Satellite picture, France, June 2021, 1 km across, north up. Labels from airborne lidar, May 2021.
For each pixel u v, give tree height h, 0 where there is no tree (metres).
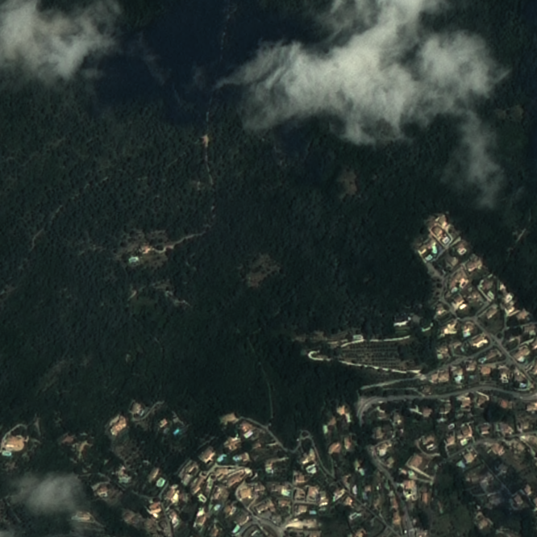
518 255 14
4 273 15
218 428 16
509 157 13
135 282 9
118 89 15
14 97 7
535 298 14
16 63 9
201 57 14
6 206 7
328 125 12
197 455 12
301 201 15
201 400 11
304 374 15
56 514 13
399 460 6
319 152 15
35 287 6
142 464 8
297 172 12
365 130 11
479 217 15
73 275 10
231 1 8
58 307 6
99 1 7
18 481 13
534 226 13
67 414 12
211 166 14
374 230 19
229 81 7
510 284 19
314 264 18
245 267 10
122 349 11
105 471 13
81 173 12
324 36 6
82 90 17
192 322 10
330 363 12
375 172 13
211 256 11
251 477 8
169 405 8
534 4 16
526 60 16
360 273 18
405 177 16
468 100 20
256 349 6
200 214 15
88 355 11
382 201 15
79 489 14
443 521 0
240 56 16
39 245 10
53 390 7
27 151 10
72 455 7
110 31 14
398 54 9
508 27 17
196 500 12
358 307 10
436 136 17
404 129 14
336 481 15
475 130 10
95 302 7
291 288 6
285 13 12
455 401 13
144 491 7
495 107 8
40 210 10
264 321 6
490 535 10
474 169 20
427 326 18
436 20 7
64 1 14
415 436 7
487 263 16
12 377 18
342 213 14
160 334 11
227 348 20
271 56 19
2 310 12
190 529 6
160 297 10
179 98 12
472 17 10
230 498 11
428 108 15
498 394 12
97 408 11
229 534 6
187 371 17
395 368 6
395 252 19
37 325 10
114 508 9
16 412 11
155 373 10
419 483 7
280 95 13
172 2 9
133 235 17
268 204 13
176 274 6
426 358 10
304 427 13
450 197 15
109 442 10
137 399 11
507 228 11
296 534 8
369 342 6
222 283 10
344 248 22
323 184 12
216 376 16
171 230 16
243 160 6
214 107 15
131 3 16
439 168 18
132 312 6
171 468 17
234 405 17
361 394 9
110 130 8
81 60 10
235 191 12
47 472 9
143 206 15
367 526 13
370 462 8
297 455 8
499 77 12
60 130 11
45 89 9
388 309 17
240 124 17
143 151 7
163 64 14
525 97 11
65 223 14
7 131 6
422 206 14
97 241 15
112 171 8
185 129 17
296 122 15
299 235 20
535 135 13
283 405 9
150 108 13
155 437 9
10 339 14
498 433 5
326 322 22
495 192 12
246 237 11
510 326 17
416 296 22
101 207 13
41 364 12
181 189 9
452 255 11
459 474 16
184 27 7
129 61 14
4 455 0
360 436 11
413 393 7
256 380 11
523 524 16
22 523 6
